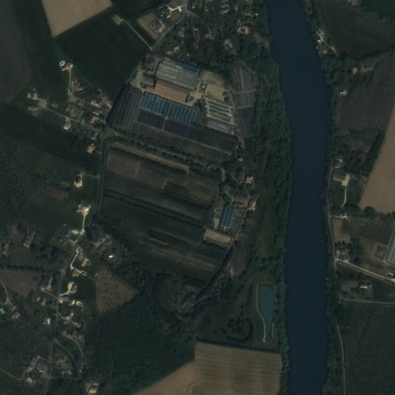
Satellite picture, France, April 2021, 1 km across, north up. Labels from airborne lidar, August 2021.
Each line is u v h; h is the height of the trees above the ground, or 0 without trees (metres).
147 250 0
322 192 14
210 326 0
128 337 17
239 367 0
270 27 0
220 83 0
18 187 8
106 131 19
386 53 11
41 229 0
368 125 16
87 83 0
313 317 0
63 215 0
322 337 0
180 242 9
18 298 12
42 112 0
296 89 0
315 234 0
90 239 12
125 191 0
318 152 0
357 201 7
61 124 0
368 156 13
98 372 14
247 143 15
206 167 7
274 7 0
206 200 0
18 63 0
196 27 6
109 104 7
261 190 0
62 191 11
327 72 14
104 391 21
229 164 12
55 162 0
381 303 0
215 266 0
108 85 0
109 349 15
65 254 13
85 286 0
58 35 0
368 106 17
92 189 0
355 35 0
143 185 0
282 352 14
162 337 16
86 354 14
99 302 0
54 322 22
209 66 11
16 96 0
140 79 0
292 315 0
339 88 21
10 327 16
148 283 12
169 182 5
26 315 19
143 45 0
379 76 18
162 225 0
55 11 0
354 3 0
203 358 0
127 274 9
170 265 0
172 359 21
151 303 10
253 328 9
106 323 16
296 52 0
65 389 27
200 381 0
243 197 0
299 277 0
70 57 7
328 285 16
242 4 22
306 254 0
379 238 0
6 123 0
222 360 0
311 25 8
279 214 15
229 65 14
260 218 0
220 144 0
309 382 0
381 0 8
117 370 9
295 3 0
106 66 0
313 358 0
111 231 10
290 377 0
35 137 0
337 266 0
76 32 0
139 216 0
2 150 9
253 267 13
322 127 0
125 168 0
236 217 0
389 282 0
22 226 7
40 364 0
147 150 10
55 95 0
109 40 0
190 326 16
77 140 11
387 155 0
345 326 21
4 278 0
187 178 0
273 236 0
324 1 0
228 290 12
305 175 0
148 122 0
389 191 0
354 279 14
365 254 0
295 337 0
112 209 0
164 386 0
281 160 16
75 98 0
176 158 9
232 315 0
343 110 13
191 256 0
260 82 8
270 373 0
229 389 0
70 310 10
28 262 0
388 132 0
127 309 16
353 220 0
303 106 0
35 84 0
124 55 0
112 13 0
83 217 0
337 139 9
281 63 0
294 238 0
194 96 0
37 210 0
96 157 7
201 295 9
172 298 7
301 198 0
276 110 26
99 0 0
